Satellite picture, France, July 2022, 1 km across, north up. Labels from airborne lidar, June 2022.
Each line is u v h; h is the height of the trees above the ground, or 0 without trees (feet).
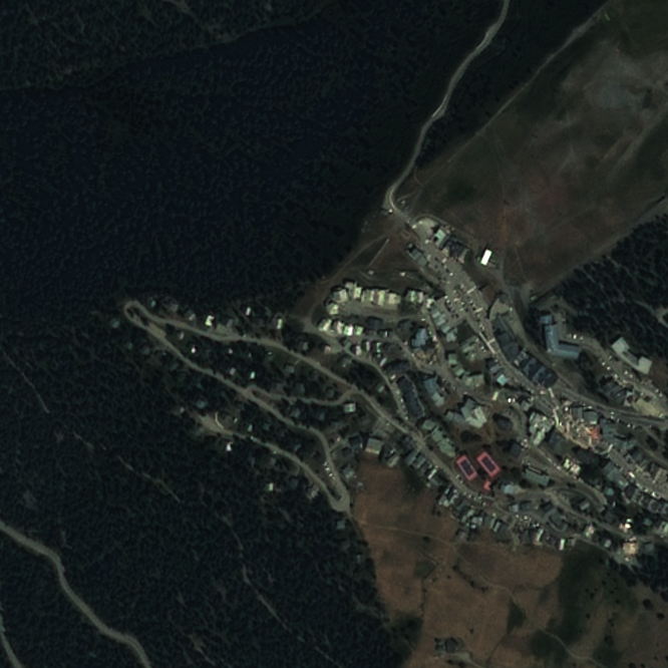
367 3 18
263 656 40
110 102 51
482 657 0
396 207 0
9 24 80
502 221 0
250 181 89
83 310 52
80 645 80
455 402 0
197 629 40
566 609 0
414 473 0
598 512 0
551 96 0
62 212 32
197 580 68
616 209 0
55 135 29
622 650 0
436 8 56
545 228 0
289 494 38
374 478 0
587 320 58
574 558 0
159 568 48
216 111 47
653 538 0
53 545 72
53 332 29
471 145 0
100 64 25
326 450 0
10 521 46
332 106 19
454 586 0
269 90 86
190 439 39
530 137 0
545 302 0
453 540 0
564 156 0
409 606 0
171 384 0
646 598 0
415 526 0
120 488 55
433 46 18
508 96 0
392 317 0
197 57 22
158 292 60
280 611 67
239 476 35
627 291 31
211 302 51
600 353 0
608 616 0
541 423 0
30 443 58
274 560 86
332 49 58
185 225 77
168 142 35
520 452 0
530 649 0
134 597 63
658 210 0
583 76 0
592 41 0
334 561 55
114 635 0
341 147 39
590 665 0
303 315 0
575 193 0
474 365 0
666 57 0
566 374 0
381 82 24
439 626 0
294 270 72
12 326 48
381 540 0
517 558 0
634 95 0
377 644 66
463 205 0
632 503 0
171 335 30
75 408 67
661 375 0
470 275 0
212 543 39
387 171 52
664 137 0
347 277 0
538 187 0
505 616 0
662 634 0
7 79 63
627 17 0
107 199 37
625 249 35
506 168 0
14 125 81
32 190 23
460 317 0
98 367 52
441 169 0
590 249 0
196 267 85
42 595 59
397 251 0
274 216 63
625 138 0
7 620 60
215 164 93
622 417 0
